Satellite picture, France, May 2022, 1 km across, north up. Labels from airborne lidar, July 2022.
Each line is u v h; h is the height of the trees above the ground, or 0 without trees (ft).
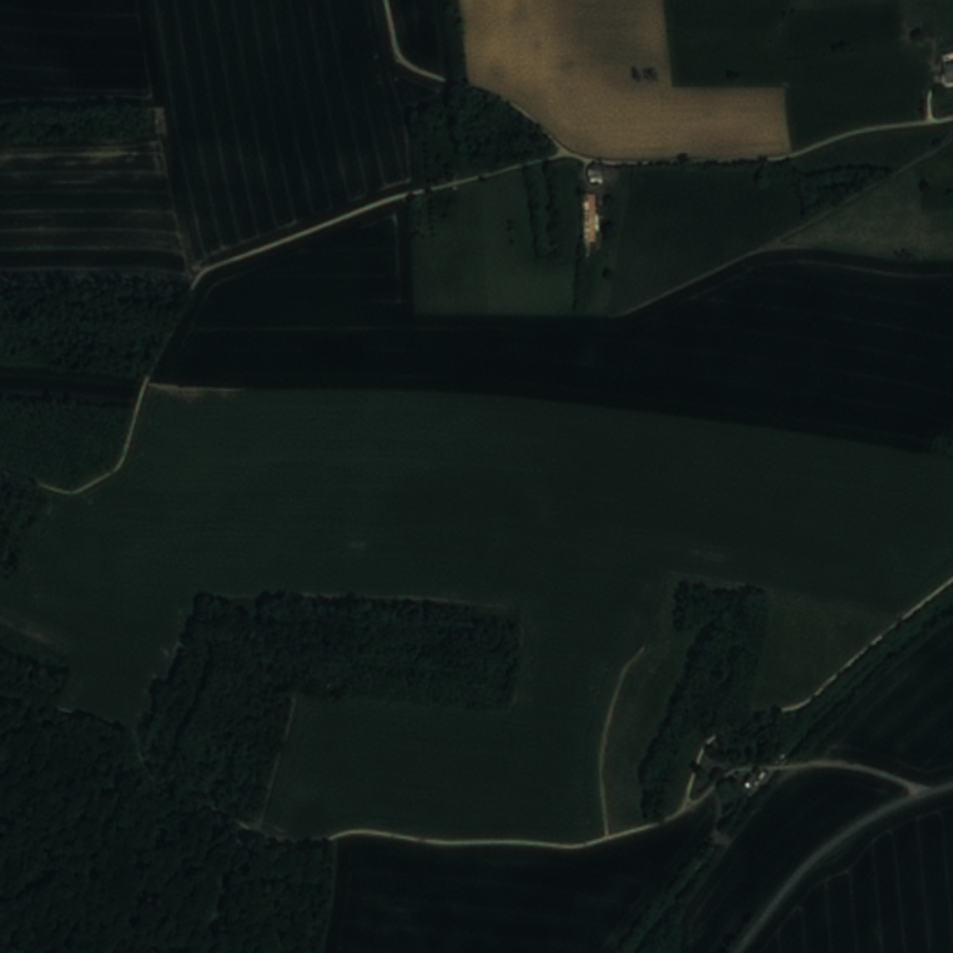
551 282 0
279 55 0
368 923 0
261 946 81
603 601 0
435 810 0
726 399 0
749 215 0
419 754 0
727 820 35
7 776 99
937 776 0
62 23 0
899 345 0
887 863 0
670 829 0
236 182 0
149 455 0
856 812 0
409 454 0
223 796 26
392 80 0
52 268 0
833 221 0
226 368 0
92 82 0
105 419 50
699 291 0
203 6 0
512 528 0
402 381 0
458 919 0
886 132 0
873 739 0
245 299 0
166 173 0
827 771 0
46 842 95
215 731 65
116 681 0
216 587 0
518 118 51
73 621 0
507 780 0
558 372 0
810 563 0
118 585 0
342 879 0
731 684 67
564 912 0
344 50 0
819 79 0
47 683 92
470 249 0
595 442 0
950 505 0
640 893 0
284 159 0
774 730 45
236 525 0
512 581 0
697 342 0
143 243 0
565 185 0
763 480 0
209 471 0
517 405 0
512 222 21
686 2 0
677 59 0
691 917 0
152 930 74
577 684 0
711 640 87
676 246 0
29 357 38
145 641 0
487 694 73
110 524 0
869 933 0
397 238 0
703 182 0
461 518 0
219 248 0
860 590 0
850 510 0
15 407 50
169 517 0
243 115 0
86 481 38
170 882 106
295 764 0
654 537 0
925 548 0
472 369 0
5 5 0
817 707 36
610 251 0
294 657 73
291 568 0
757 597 68
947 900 0
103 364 63
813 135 0
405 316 0
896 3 0
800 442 0
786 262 0
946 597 30
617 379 0
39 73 0
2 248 0
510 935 0
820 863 0
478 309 0
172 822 84
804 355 0
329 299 0
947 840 0
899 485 0
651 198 0
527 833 0
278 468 0
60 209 0
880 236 0
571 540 0
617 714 0
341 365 0
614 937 0
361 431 0
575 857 0
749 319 0
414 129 55
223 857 96
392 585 0
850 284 0
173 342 0
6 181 0
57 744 78
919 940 0
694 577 0
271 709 57
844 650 0
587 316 0
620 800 0
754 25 0
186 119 0
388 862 0
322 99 0
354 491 0
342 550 0
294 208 0
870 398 0
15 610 0
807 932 0
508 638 79
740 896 0
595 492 0
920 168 0
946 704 0
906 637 30
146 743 79
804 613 0
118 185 0
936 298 0
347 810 0
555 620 0
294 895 88
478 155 83
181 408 0
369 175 0
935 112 0
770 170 28
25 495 74
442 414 0
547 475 0
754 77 0
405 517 0
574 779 0
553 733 0
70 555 0
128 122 81
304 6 0
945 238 0
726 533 0
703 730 58
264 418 0
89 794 89
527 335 0
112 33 0
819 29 0
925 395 0
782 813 0
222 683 68
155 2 0
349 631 86
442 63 0
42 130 44
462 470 0
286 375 0
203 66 0
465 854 0
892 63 0
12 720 84
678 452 0
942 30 0
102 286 85
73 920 90
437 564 0
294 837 0
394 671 55
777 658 0
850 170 36
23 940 93
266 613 59
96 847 101
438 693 76
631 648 0
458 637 91
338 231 0
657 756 63
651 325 0
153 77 0
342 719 0
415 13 0
